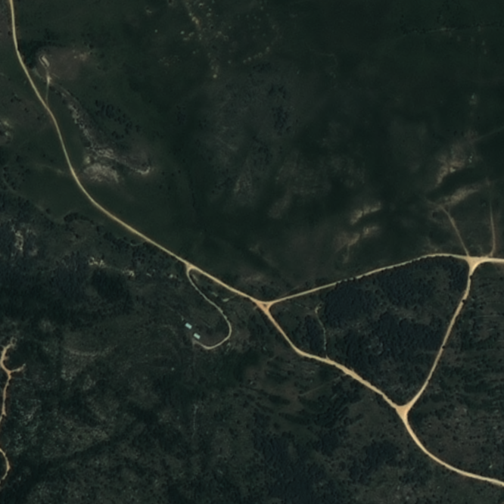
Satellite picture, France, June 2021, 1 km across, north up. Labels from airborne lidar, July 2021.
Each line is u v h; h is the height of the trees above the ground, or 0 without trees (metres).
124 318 0
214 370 6
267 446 11
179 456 6
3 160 9
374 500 0
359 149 0
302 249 0
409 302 8
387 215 0
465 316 7
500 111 0
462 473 0
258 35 0
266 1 0
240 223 0
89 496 6
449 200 0
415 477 10
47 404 8
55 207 0
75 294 11
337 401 8
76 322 6
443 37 0
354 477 10
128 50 0
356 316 8
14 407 6
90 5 0
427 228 0
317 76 0
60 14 0
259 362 0
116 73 0
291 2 0
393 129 0
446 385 7
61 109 0
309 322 10
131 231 0
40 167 0
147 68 0
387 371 6
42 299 6
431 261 7
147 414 10
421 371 9
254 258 0
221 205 0
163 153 0
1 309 7
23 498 8
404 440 0
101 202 0
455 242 0
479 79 0
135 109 0
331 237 0
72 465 0
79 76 0
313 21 0
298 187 0
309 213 0
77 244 0
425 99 0
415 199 0
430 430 0
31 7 0
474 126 0
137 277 9
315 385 0
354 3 0
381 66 0
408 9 0
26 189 0
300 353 0
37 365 0
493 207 0
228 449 0
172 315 0
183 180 0
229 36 0
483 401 8
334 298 11
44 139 0
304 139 0
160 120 0
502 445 7
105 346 0
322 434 6
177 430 6
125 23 0
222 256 0
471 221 0
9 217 0
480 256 0
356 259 0
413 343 9
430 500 8
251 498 9
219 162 0
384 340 11
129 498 0
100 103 10
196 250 0
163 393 7
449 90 0
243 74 0
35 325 6
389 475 0
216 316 0
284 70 0
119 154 0
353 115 0
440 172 0
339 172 0
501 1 0
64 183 0
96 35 0
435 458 0
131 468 6
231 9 0
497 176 0
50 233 0
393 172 0
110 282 10
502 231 0
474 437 6
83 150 0
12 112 0
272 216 0
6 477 6
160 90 0
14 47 0
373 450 9
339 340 6
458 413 0
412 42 0
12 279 6
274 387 0
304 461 9
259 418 8
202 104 0
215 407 0
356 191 0
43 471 10
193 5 0
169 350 0
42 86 0
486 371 8
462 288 10
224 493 5
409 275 9
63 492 6
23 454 7
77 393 7
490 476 9
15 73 0
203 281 0
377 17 0
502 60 0
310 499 11
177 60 0
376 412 0
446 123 0
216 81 0
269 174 0
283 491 10
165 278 6
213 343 0
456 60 0
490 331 0
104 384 8
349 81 0
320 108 0
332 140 0
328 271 0
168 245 0
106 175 0
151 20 0
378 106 0
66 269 8
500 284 0
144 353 0
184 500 7
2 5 0
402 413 0
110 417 0
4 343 6
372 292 9
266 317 10
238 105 0
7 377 6
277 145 0
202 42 0
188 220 0
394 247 0
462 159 0
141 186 0
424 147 0
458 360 8
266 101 0
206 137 0
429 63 0
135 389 0
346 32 0
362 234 0
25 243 7
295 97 0
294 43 0
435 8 0
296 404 0
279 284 0
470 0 0
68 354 0
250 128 0
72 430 7
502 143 0
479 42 0
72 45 0
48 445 0
